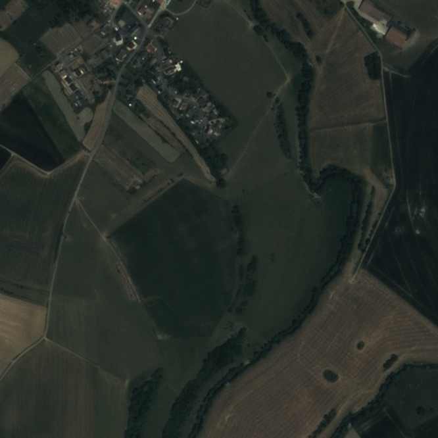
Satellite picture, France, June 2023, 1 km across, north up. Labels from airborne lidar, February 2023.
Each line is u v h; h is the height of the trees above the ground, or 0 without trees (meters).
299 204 0
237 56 0
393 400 0
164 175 0
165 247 0
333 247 0
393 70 0
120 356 0
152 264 0
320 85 0
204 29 0
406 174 0
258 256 0
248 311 0
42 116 0
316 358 0
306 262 0
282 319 0
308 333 0
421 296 0
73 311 0
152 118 0
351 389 0
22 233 0
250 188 0
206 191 0
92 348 0
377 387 0
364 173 0
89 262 0
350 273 0
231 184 0
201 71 0
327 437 0
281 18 0
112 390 0
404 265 0
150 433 0
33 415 0
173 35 0
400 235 0
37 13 0
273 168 0
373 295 0
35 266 0
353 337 0
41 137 0
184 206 0
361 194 9
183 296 0
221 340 0
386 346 0
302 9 0
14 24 9
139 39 0
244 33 0
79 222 0
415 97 0
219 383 8
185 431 0
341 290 0
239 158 0
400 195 0
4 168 0
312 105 0
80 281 0
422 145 0
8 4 0
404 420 0
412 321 0
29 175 0
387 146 0
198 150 6
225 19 0
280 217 0
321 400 0
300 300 0
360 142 0
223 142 0
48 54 0
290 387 0
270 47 0
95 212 0
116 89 0
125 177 0
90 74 0
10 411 0
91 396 0
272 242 0
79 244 0
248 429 0
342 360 0
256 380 0
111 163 0
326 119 0
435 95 0
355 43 0
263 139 0
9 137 0
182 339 0
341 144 0
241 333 15
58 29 0
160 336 0
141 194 0
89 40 0
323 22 0
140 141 0
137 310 0
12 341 0
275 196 0
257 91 0
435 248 0
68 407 0
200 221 0
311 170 9
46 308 0
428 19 0
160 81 0
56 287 0
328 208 0
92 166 0
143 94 0
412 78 0
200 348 0
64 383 0
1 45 0
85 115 0
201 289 0
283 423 0
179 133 0
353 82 0
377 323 0
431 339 0
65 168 0
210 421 0
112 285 0
